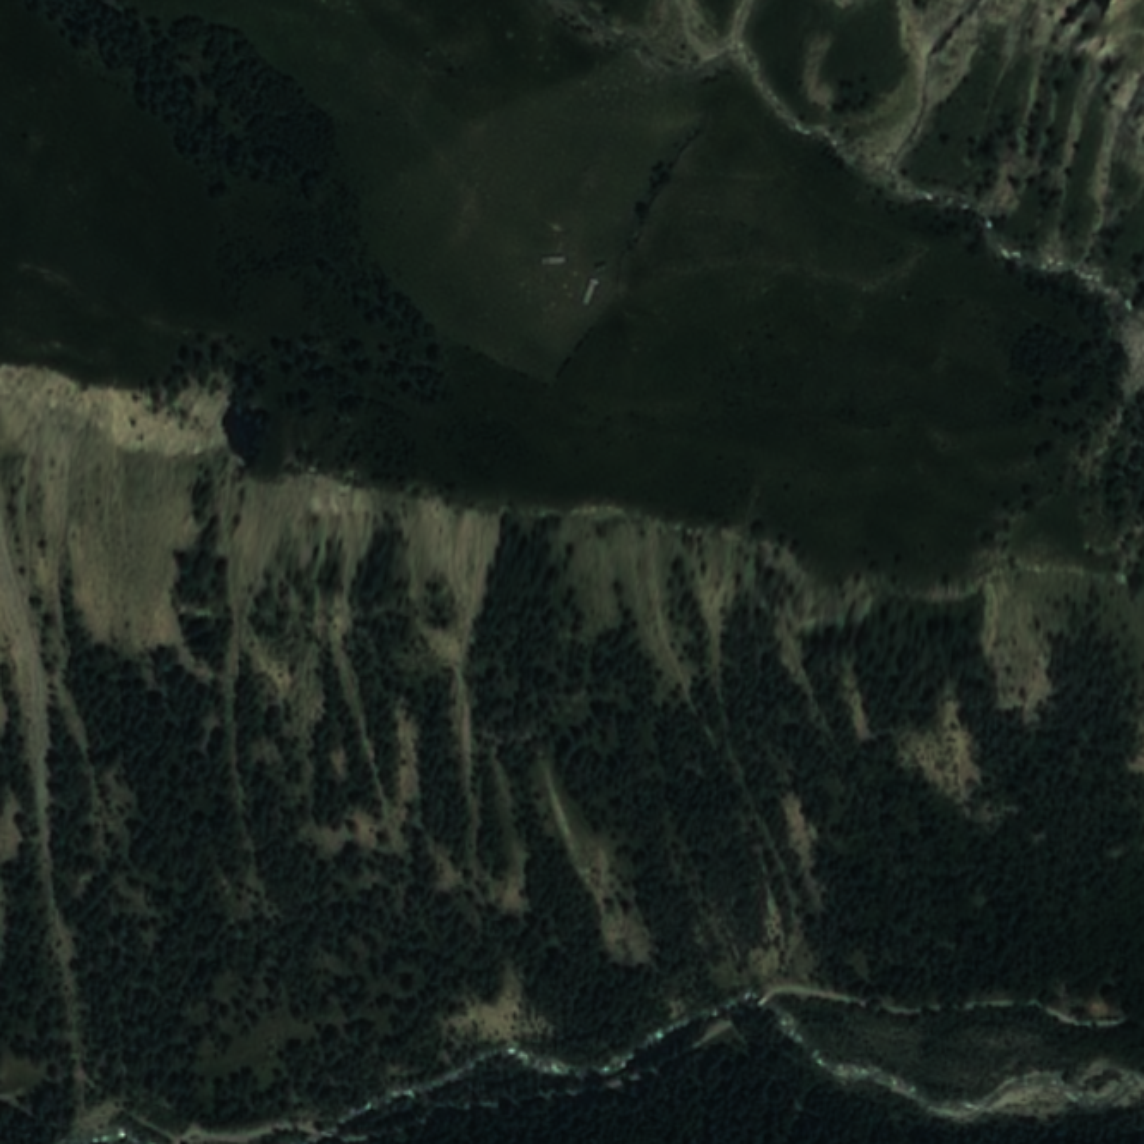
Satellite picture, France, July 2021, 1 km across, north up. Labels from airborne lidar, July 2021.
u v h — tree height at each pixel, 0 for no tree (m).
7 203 0
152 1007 23
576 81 0
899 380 0
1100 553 0
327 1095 27
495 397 0
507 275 0
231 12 0
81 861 25
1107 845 13
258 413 20
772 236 0
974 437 0
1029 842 20
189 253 0
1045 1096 0
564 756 23
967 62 0
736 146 0
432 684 10
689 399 0
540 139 0
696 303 0
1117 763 23
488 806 14
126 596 0
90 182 0
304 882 22
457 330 0
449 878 0
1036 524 0
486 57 0
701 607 0
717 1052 14
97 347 0
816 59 0
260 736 19
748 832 7
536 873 18
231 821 26
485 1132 13
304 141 12
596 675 16
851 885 24
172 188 0
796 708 23
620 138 0
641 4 0
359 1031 12
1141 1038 13
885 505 0
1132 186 0
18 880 11
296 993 18
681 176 0
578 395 0
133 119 0
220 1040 25
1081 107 0
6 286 0
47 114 0
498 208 0
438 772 20
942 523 0
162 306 0
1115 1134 13
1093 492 7
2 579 0
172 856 22
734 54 0
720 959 11
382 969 25
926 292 0
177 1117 7
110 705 21
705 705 8
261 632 10
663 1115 9
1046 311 0
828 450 0
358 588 6
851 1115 21
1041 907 8
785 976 8
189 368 13
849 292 0
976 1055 6
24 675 0
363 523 0
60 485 0
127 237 0
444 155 0
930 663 16
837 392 0
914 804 6
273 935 18
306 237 6
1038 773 21
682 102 0
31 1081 0
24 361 0
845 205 0
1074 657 8
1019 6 0
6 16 0
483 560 0
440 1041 12
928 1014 15
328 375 21
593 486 0
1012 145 13
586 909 10
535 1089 11
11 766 7
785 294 0
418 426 0
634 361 0
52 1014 17
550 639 13
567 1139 24
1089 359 7
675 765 19
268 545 0
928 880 13
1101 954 17
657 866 21
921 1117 6
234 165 23
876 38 0
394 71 0
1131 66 0
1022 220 0
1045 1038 6
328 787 15
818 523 0
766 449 0
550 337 0
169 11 0
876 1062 6
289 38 0
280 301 0
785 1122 24
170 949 14
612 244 0
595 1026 20
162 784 26
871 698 17
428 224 0
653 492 0
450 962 16
